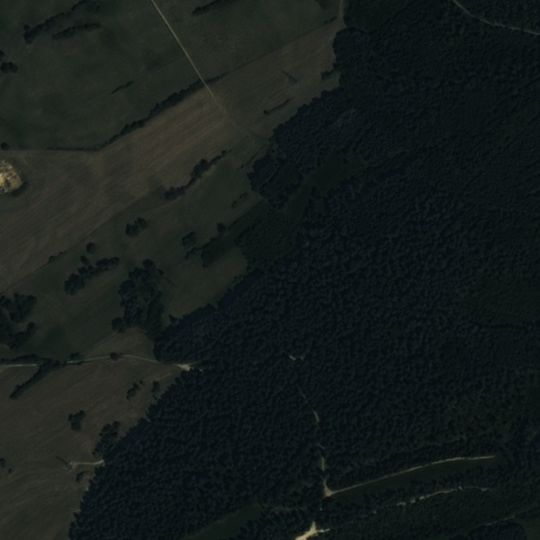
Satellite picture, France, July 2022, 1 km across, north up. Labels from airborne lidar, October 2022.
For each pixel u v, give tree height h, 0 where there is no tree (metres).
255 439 30
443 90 16
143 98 0
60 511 0
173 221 0
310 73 0
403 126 16
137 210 0
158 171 0
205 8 11
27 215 0
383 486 0
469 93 14
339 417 28
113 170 0
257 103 0
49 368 16
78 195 0
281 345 30
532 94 12
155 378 0
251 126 0
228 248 0
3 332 25
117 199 0
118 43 0
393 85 24
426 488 9
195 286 0
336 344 30
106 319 0
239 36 0
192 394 34
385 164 8
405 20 12
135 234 14
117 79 0
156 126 0
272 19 0
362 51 31
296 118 11
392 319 28
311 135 28
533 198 21
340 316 28
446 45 8
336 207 27
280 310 8
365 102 16
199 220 0
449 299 15
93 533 25
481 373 18
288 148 28
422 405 7
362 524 16
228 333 32
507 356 18
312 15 0
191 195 0
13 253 0
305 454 20
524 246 12
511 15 21
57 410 0
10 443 0
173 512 15
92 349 0
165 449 32
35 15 0
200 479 32
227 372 28
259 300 25
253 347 27
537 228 7
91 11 0
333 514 27
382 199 28
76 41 0
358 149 25
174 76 0
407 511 13
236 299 34
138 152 0
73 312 0
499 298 10
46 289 0
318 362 27
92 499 28
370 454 32
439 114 13
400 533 6
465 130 15
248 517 0
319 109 24
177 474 27
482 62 13
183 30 0
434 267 25
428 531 15
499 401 6
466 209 23
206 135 0
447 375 27
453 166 11
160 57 0
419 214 34
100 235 0
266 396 29
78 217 0
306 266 32
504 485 16
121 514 32
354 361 28
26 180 0
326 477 36
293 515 7
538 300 6
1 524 0
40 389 0
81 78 0
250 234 7
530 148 17
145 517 25
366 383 27
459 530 8
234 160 0
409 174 26
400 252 26
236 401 23
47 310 0
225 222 0
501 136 10
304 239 30
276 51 0
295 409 34
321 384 33
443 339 26
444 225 26
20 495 0
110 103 0
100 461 0
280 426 28
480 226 23
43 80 0
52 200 0
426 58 12
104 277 0
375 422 15
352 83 13
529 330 23
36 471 0
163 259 0
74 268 0
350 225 30
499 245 24
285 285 29
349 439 6
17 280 0
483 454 16
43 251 0
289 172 9
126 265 0
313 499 23
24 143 0
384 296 27
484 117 13
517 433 8
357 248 36
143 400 0
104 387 0
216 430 21
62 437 0
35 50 0
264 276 35
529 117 6
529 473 22
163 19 0
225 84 0
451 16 14
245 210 0
